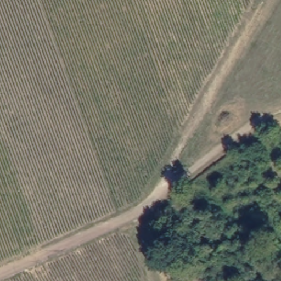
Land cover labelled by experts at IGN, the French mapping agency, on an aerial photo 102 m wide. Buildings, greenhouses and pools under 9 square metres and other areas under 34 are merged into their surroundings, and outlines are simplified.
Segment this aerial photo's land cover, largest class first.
<instances>
[{"label":"vineyard","instance_id":"1","mask_svg":"<svg viewBox=\"0 0 281 281\"><path fill-rule=\"evenodd\" d=\"M266 0H0V267L131 211L153 192L162 179V169L167 165H173V151L178 146L184 130L194 120L205 93L209 91L238 37L243 33L246 23L257 10L259 2ZM139 221L121 224L79 246L54 250V254L49 255L46 261L42 260L40 265L15 273L12 277L0 279V281H160L159 274L148 269L145 257L140 252L137 240Z\"/></svg>","mask_w":281,"mask_h":281},{"label":"deciduous trees","instance_id":"2","mask_svg":"<svg viewBox=\"0 0 281 281\"><path fill-rule=\"evenodd\" d=\"M260 140L259 144L249 148L241 146L229 153L224 150L221 157L212 161L193 178L188 176L187 171L184 172L180 181L168 184L167 198L145 207L139 221L137 240L140 252L145 257L148 269L159 274L160 281H281V125L273 128L270 124H260L251 133Z\"/></svg>","mask_w":281,"mask_h":281},{"label":"agricultural land","instance_id":"3","mask_svg":"<svg viewBox=\"0 0 281 281\"><path fill-rule=\"evenodd\" d=\"M250 44L241 50L231 71L217 89L211 108L207 110L193 135L188 138L177 160L188 170L196 160L210 153L215 146L221 145L225 135L231 136L234 140L243 135L239 130L250 123L252 113L266 114L269 105L277 106L281 100V0H278L274 3L266 22L257 25L254 33L250 35Z\"/></svg>","mask_w":281,"mask_h":281},{"label":"pervious surface","instance_id":"4","mask_svg":"<svg viewBox=\"0 0 281 281\"><path fill-rule=\"evenodd\" d=\"M278 0H266L259 2L257 10L246 23L243 33L238 37L209 91L205 93L194 120L184 130L178 146L173 151V165H167L162 169V179L153 192L131 211L0 267V279L12 277L15 273L40 265L42 260L46 261L49 255L54 254V250L79 246L121 224L139 221L145 207L167 198L168 184L180 181L184 172L187 171L188 176L193 178L212 161L221 157L224 150L229 153L241 146L249 148L259 144L260 140L251 133L260 124H270L273 128L281 125V100L277 106L269 105L266 114L252 113L250 123L239 130L243 135L234 140L231 136L225 135L221 145L215 146L210 153L196 160L188 170L177 160L188 138L193 135L207 110L211 108L217 89L231 71L241 50L250 44V35L254 33L257 25L266 22L274 3Z\"/></svg>","mask_w":281,"mask_h":281}]
</instances>
